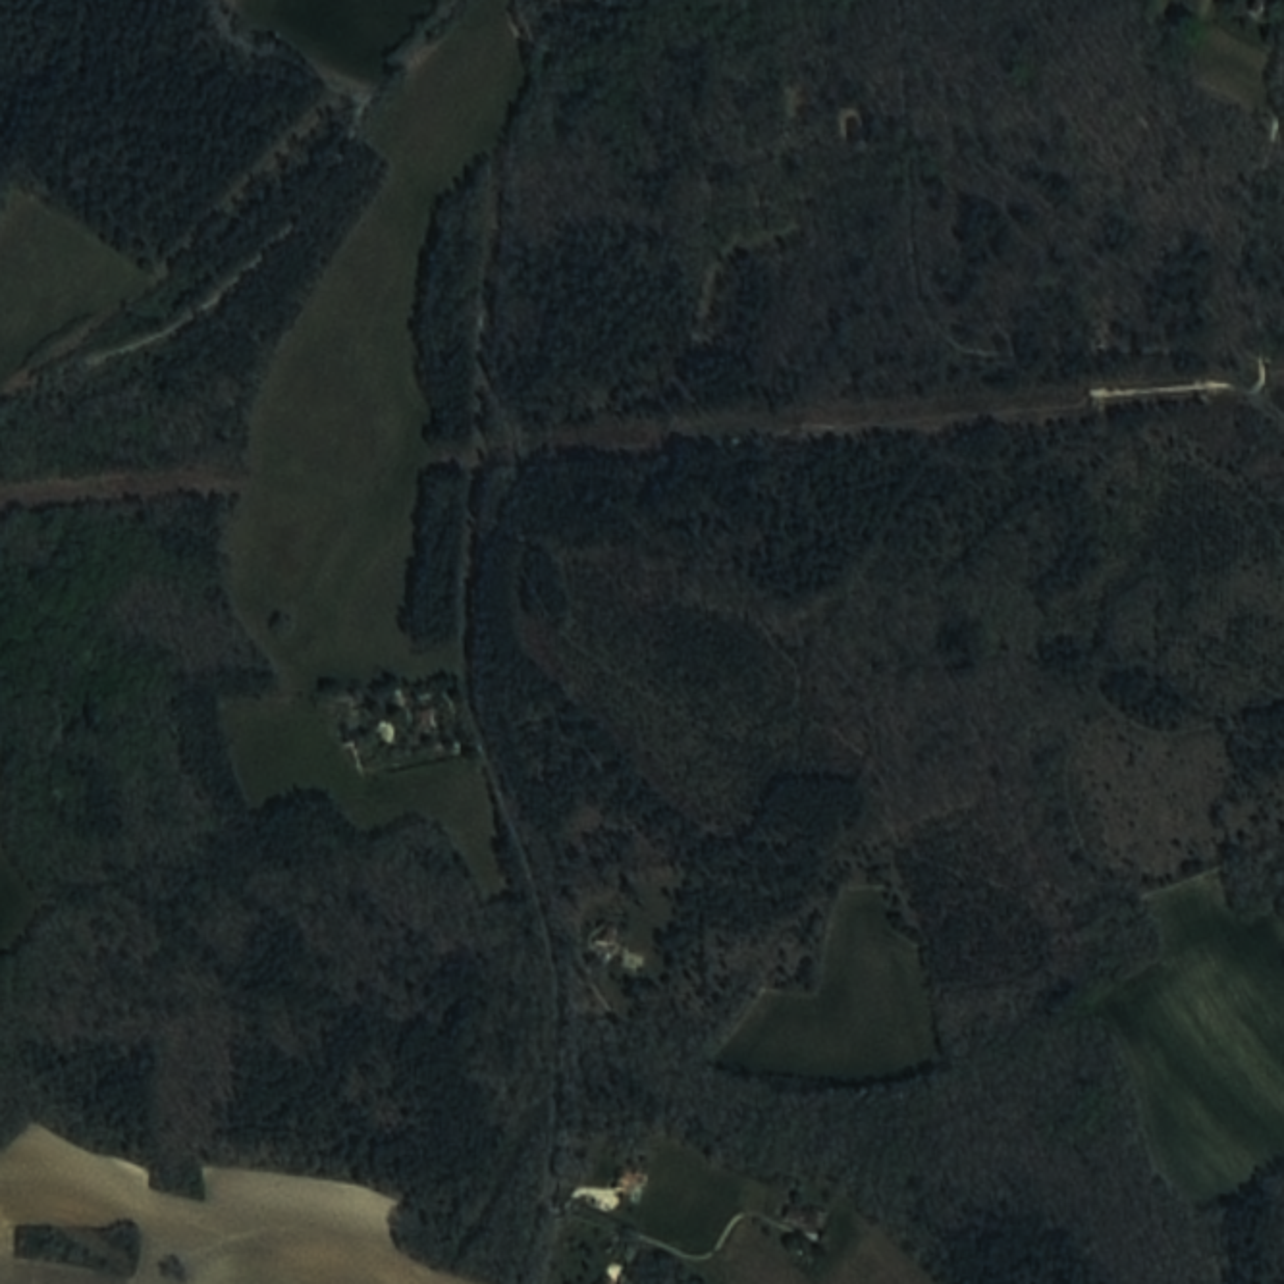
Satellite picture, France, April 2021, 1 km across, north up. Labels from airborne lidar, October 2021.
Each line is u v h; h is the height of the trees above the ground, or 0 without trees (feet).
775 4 72
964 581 52
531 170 57
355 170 65
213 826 50
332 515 0
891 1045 0
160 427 61
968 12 51
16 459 67
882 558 47
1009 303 42
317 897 65
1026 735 64
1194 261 62
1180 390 0
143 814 65
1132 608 56
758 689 25
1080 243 54
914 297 50
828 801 73
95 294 0
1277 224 62
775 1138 76
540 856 47
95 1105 36
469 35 0
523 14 52
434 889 54
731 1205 0
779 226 51
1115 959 59
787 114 50
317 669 0
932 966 27
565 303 47
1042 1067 77
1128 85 67
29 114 54
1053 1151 55
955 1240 42
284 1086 49
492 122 0
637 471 70
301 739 0
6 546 47
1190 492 23
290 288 60
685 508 78
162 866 49
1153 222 46
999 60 55
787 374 23
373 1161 41
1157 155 49
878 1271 0
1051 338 48
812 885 60
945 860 27
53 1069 43
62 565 72
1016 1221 56
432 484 55
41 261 0
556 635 17
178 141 30
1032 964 33
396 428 0
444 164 0
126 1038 44
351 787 0
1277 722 59
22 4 22
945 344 38
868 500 50
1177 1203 54
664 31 78
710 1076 73
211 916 47
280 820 64
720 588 48
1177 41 65
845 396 25
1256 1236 60
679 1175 0
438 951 65
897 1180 68
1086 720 31
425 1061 56
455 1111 60
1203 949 0
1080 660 66
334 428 0
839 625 47
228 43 41
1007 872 30
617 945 30
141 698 76
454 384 68
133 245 29
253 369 40
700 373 72
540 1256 62
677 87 61
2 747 64
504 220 60
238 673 47
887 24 52
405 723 18
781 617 50
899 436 35
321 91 39
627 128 62
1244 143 59
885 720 47
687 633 27
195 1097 44
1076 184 52
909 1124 68
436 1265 53
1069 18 62
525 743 36
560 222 54
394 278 0
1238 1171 0
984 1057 71
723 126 58
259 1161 35
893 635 53
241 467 59
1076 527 45
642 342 90
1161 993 0
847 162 47
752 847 57
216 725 67
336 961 49
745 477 46
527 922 44
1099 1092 70
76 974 49
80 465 78
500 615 74
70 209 25
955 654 34
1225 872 50
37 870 64
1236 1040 0
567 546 55
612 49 77
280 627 51
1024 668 63
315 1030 54
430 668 0
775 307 38
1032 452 26
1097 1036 56
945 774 42
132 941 53
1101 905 62
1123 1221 55
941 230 37
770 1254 0
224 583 36
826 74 43
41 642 72
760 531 47
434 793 0
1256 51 0
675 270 74
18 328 0
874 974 0
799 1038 0
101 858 50
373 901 59
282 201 38
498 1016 38
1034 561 51
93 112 43
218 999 55
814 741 22
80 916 66
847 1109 76
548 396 57
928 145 41
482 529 50
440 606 53
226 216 36
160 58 36
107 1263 22
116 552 67
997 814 41
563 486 66
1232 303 47
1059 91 48
